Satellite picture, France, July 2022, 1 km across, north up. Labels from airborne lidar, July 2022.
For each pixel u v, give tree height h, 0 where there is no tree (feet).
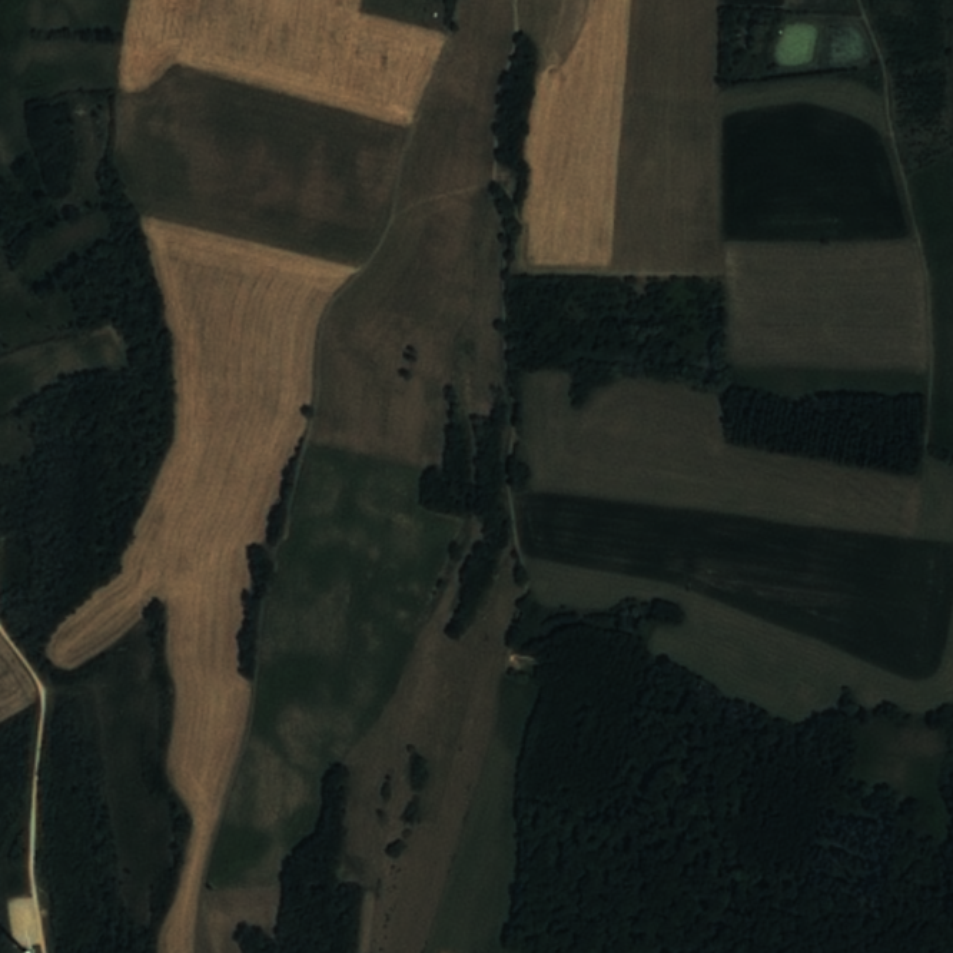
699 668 0
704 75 0
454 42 0
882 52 0
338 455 0
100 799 34
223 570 0
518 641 48
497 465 53
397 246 0
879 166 0
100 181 41
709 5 0
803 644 0
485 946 0
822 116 0
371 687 0
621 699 36
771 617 0
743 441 24
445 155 0
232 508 0
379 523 0
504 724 0
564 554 0
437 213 0
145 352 52
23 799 19
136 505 62
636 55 0
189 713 0
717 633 0
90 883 31
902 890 70
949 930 70
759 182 0
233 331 0
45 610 47
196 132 0
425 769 26
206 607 0
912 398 50
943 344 0
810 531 0
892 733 0
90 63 0
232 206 0
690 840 40
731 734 61
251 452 0
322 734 0
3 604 25
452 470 42
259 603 47
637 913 63
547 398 0
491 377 0
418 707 0
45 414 66
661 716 68
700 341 0
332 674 0
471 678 0
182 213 0
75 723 34
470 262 0
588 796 46
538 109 0
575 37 0
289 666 0
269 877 0
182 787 0
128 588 0
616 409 0
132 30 0
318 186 0
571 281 33
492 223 0
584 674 32
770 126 0
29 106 23
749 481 0
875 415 71
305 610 0
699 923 79
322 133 0
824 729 68
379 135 0
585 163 0
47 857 29
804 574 0
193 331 0
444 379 0
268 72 0
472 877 0
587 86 0
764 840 64
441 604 0
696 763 62
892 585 0
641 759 27
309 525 0
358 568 0
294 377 0
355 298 0
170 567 0
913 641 0
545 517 0
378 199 0
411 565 0
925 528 0
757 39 47
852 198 0
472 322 0
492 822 0
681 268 0
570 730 31
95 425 30
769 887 71
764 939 66
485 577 45
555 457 0
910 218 0
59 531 51
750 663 0
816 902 61
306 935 48
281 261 0
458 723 0
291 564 0
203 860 0
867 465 54
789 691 0
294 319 0
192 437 0
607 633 33
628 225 0
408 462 0
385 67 0
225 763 0
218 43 0
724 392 46
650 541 0
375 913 0
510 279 51
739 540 0
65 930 30
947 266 0
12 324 0
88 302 59
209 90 0
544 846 69
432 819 0
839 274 0
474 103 0
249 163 0
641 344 22
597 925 70
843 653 0
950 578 0
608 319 23
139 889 0
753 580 0
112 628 0
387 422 0
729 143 0
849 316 0
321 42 0
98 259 39
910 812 52
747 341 0
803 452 59
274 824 0
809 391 0
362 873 0
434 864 0
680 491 0
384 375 0
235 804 0
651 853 71
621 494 0
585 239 0
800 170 0
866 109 0
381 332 0
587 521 0
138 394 40
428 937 0
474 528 0
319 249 0
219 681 0
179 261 0
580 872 77
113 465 55
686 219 0
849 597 0
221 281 0
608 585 0
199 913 0
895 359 0
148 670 0
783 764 57
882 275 0
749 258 0
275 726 0
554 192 0
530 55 32
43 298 63
